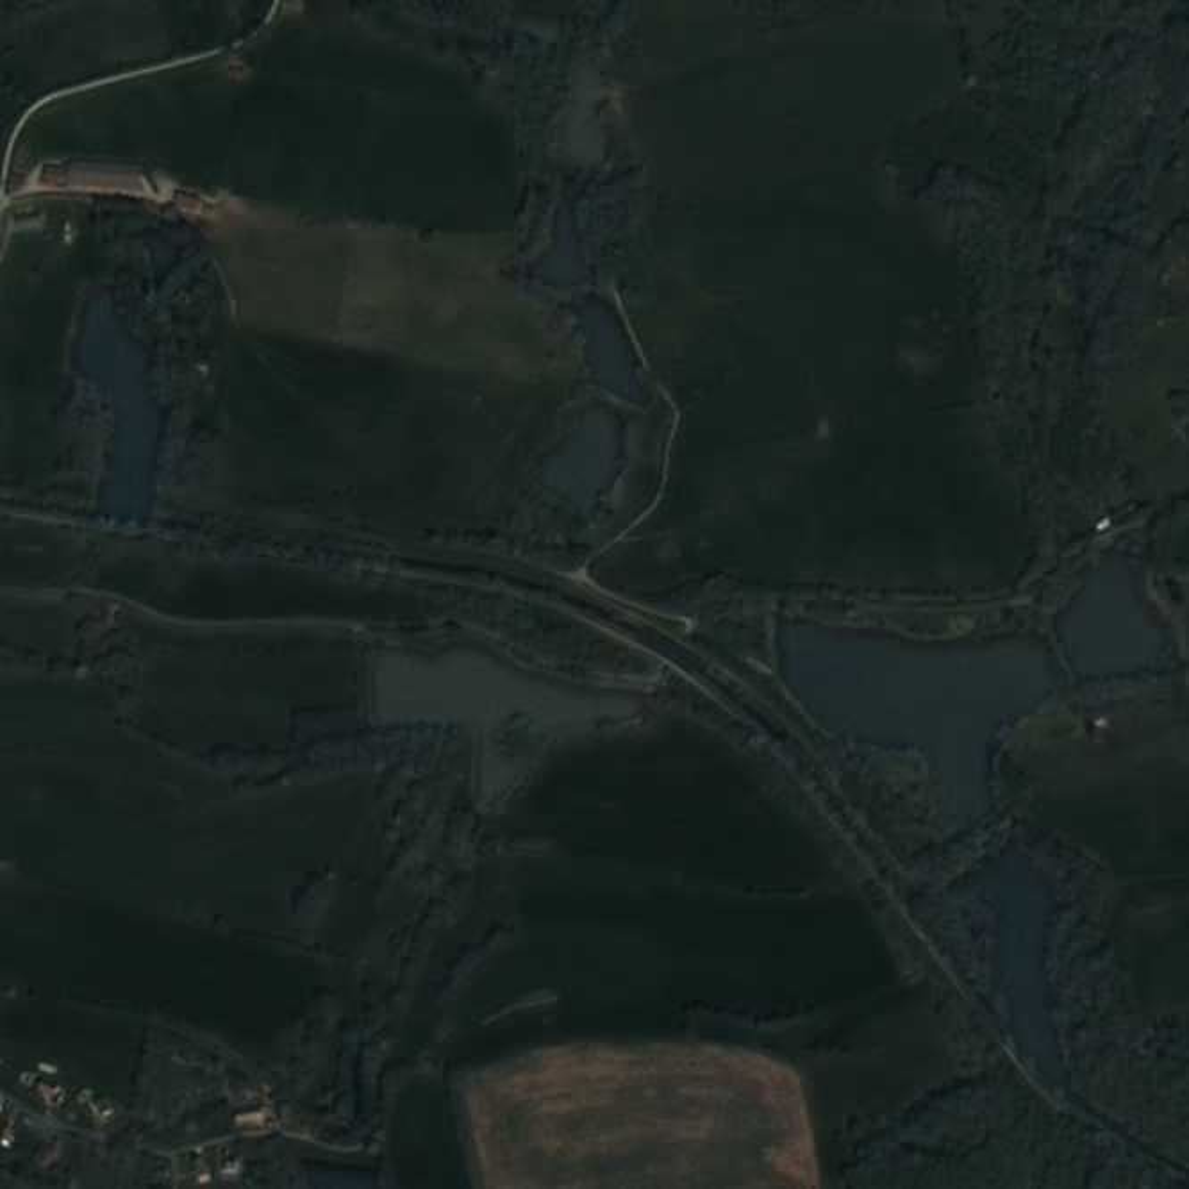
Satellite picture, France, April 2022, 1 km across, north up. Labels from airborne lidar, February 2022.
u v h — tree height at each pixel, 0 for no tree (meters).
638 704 0
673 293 0
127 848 0
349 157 0
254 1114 0
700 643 8
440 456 0
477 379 0
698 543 0
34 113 0
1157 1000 0
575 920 0
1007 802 9
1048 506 12
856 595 12
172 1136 10
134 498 0
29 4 8
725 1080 0
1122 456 6
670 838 0
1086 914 17
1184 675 10
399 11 18
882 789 9
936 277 0
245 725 0
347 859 0
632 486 0
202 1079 0
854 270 0
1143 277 17
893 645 0
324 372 0
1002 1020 15
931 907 19
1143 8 15
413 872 8
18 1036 0
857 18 0
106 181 0
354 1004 0
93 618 13
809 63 0
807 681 0
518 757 0
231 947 0
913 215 0
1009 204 26
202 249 20
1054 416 0
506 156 0
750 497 0
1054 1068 0
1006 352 25
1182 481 0
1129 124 20
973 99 0
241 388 0
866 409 0
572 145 0
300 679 0
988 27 0
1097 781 0
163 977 0
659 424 0
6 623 0
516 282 20
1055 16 7
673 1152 0
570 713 0
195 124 0
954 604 7
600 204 22
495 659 0
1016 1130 22
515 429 0
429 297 0
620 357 0
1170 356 0
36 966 0
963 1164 20
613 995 0
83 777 0
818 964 0
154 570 0
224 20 0
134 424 0
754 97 0
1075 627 0
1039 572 15
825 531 0
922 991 0
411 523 0
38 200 0
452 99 0
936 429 0
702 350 0
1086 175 21
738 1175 0
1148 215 20
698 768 0
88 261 0
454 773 14
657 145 0
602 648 6
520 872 0
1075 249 19
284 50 0
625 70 0
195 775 0
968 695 0
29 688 0
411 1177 0
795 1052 0
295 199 0
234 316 0
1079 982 20
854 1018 0
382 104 0
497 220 0
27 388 0
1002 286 23
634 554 0
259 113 0
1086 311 21
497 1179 0
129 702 15
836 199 0
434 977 0
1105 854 0
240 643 0
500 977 0
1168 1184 20
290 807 0
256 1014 0
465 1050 0
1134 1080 24
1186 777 0
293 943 6
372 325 0
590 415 0
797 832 0
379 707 0
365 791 0
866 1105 0
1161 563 18
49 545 0
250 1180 9
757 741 18
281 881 0
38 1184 8
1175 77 24
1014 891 0
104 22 0
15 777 0
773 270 0
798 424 0
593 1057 0
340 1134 8
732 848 0
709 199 0
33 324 0
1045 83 14
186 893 0
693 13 0
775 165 0
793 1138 0
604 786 0
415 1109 0
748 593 11
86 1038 0
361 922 0
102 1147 0
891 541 0
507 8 21
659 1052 0
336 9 0
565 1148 0
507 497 0
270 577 0
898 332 0
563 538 0
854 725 0
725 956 0
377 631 6
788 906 0
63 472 16
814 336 0
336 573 13
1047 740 0
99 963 0
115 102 0
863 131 0
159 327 8
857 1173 17
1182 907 0
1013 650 0
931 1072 0
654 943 0
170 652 0
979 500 0
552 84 17
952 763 0
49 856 0
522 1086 0
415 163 0
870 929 0
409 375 0
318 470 0
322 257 0
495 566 0
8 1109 0
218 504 0
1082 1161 11
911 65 0
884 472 0
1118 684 18
